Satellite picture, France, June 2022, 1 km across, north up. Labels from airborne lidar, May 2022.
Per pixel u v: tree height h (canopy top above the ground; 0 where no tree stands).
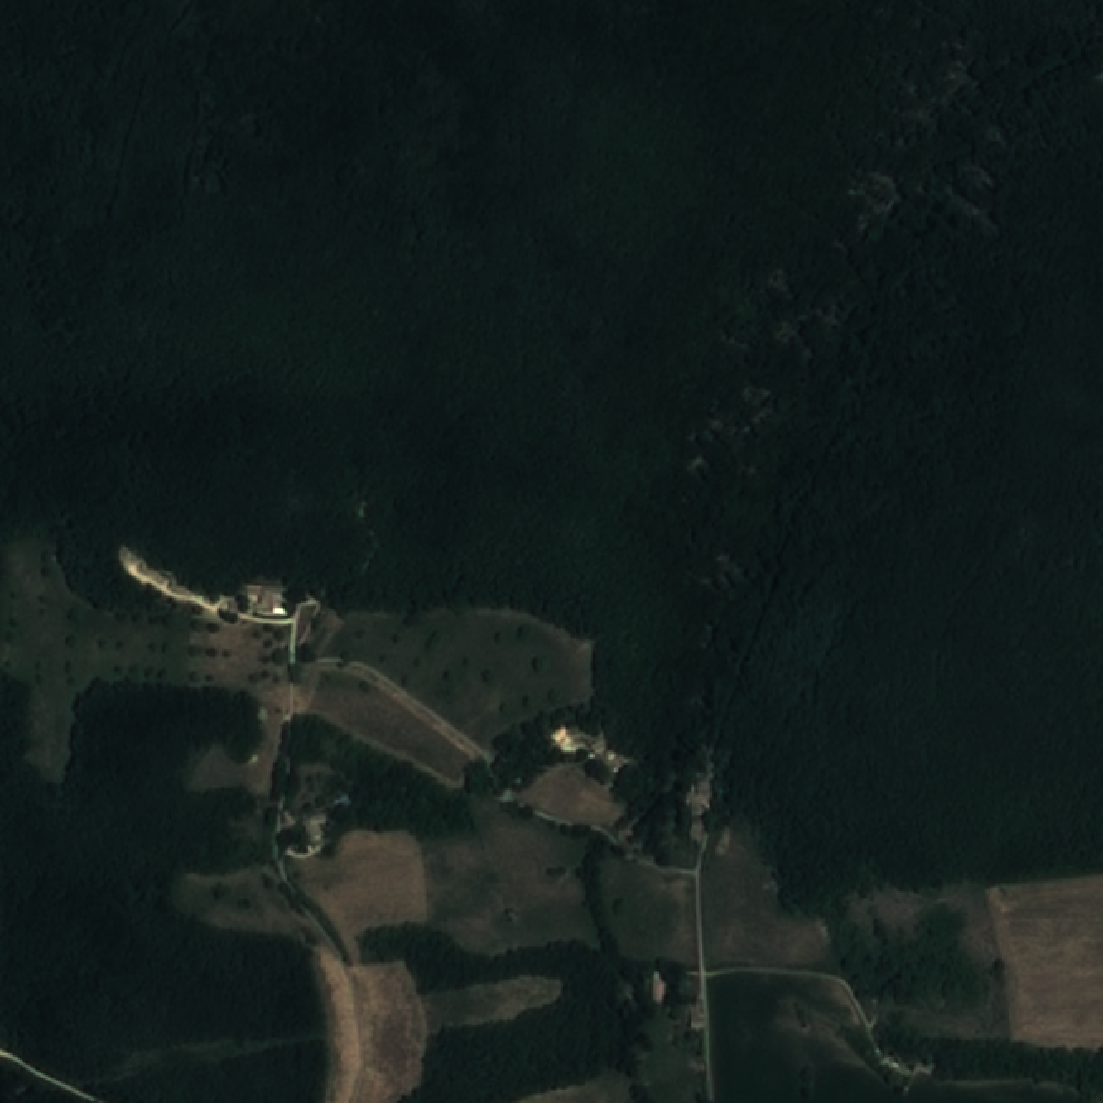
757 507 17
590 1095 0
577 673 0
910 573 8
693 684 15
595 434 9
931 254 24
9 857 16
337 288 15
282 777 14
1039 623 10
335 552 13
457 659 0
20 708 17
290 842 14
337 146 17
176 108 14
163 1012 7
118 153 13
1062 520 7
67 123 13
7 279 13
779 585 15
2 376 12
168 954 12
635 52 20
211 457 21
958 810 11
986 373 9
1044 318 11
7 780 17
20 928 16
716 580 17
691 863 0
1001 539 8
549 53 14
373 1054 0
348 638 0
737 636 17
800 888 18
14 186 9
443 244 16
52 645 0
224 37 14
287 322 9
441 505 20
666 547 15
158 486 15
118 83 14
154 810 8
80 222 12
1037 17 12
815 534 15
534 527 12
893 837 11
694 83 19
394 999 0
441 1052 11
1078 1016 0
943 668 6
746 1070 0
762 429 18
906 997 9
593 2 21
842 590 11
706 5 16
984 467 11
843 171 21
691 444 15
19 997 16
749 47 10
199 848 9
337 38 12
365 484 13
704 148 11
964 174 31
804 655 6
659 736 19
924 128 16
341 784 6
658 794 13
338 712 0
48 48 16
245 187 16
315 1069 15
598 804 0
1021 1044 7
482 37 18
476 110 16
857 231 22
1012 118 23
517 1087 13
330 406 17
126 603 13
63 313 19
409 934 7
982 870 14
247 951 13
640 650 10
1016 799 11
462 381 12
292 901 8
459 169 21
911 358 25
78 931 11
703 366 14
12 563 0
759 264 18
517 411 10
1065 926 0
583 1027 14
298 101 18
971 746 9
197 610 7
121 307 13
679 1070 0
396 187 17
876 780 12
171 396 19
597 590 9
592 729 11
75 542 14
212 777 0
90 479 17
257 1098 9
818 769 11
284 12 10
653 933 0
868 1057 6
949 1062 16
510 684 0
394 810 10
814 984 0
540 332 11
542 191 12
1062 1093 0
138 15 9
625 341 11
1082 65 19
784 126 14
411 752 0
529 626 7
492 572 11
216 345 9
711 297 17
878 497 10
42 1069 9
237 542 10
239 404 19
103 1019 9
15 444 12
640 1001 14
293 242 15
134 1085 9
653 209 10
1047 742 12
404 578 12
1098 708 12
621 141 11
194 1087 8
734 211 17
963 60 23
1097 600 11
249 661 0
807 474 18
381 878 0
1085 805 10
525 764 10
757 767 11
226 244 14
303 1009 13
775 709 13
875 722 11
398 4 21
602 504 12
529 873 0
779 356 20
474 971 14
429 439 20
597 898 10
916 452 15
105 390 18
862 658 9
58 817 9
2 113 11
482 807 0
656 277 12
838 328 24
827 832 13
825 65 9
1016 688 8
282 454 19
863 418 18
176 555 11
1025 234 11
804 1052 0
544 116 12
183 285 13
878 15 13
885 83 20
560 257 13
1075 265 11
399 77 20
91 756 14
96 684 11
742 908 0
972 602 7
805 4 10
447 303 16
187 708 16
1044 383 6
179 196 7
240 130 17
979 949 0
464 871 0
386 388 11
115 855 11
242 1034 11
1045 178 15
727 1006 0
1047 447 7
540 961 14
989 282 20
